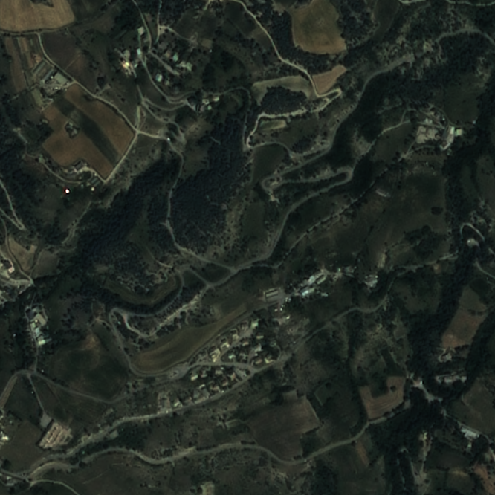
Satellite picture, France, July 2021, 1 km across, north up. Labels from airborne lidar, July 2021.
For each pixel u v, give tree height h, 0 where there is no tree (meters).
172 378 0
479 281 0
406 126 0
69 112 0
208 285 0
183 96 0
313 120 0
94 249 8
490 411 0
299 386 0
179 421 0
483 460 6
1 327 0
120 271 7
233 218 0
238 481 0
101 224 8
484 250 14
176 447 6
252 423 0
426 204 0
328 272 0
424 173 0
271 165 0
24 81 0
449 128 0
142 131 0
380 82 12
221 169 7
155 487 0
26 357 11
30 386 7
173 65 9
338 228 0
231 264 0
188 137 0
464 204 15
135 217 9
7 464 11
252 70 0
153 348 0
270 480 0
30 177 12
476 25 10
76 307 7
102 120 0
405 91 10
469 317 0
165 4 8
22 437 0
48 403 0
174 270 11
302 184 10
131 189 7
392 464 20
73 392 0
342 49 0
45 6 0
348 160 8
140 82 8
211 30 0
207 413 0
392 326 15
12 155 9
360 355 0
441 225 0
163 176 9
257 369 0
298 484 0
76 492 0
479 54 9
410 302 0
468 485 0
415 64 12
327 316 0
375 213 0
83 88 0
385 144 0
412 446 9
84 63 0
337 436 0
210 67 9
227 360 0
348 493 0
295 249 7
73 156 0
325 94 0
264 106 6
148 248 0
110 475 0
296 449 0
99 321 0
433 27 6
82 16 0
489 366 7
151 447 0
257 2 7
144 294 10
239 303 0
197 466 0
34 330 0
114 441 7
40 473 0
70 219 0
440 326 13
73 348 0
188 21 0
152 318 0
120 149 0
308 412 0
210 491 0
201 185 9
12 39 0
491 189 0
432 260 0
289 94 6
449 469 6
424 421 18
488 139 10
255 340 9
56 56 0
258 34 0
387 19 0
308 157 7
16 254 0
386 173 8
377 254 0
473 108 0
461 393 8
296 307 7
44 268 0
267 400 0
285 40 9
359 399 9
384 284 13
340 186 7
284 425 0
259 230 0
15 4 0
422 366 8
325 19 0
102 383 0
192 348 0
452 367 14
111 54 8
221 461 0
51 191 0
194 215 8
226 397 0
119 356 0
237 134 10
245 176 8
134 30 9
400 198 0
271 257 6
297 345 0
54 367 0
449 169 12
